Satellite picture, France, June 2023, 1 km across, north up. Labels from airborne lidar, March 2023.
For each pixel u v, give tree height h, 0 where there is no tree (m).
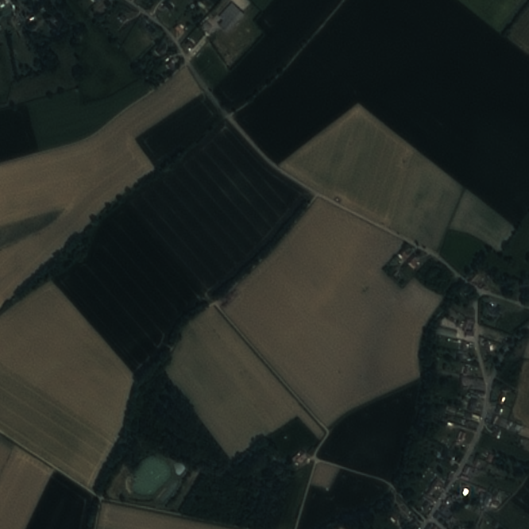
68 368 0
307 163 0
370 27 0
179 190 0
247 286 0
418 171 0
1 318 0
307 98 0
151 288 0
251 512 15
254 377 0
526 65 0
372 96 0
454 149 0
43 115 0
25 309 0
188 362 0
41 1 16
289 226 11
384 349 0
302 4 0
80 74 18
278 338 0
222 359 0
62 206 0
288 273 0
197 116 0
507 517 0
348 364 0
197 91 0
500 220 0
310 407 0
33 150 0
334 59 0
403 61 0
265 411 0
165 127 0
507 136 0
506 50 0
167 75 7
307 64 0
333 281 0
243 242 0
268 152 0
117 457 16
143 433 15
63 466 0
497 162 0
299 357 0
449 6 0
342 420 0
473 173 0
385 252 0
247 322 0
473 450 0
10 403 0
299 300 0
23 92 0
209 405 0
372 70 0
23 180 0
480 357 0
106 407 0
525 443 0
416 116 0
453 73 0
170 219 0
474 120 0
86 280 0
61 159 0
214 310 0
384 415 0
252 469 18
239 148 0
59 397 0
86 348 0
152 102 0
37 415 0
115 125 0
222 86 0
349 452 0
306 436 0
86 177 0
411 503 19
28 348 0
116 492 0
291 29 0
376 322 0
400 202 0
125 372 0
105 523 0
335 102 0
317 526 0
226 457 13
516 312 0
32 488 0
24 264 0
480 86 0
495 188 0
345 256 0
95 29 0
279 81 0
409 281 0
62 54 0
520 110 0
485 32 0
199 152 0
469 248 0
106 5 12
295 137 0
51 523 0
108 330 0
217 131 0
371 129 0
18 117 0
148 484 0
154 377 12
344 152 0
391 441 0
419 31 0
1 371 0
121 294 0
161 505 0
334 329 0
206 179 0
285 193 0
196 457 19
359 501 0
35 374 0
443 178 0
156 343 0
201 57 0
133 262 0
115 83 0
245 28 0
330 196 0
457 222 0
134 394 12
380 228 0
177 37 0
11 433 0
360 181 0
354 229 0
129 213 0
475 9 0
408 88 0
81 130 0
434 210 0
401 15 0
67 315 0
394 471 0
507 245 13
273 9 0
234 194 0
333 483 0
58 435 0
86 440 0
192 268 0
